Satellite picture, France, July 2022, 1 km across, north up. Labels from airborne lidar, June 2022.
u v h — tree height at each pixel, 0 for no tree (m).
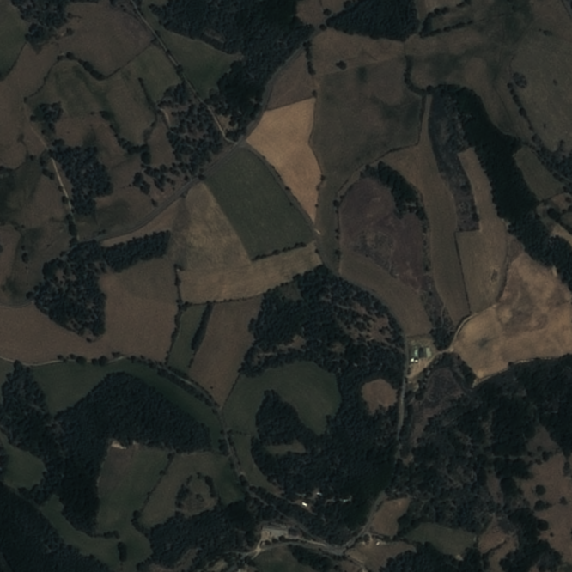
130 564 0
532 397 11
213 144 17
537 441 0
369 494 12
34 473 0
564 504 11
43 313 10
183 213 0
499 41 0
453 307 0
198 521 12
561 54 0
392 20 23
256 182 0
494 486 0
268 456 12
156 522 0
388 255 0
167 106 13
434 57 0
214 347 0
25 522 20
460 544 0
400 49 0
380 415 11
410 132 0
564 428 16
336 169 0
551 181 0
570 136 0
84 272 10
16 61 0
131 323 0
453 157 0
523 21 0
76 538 0
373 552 0
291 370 0
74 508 8
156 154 0
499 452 25
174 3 16
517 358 0
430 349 0
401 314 0
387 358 17
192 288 0
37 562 19
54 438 9
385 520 0
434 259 0
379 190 0
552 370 9
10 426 18
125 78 0
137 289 0
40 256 0
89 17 0
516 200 22
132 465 0
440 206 0
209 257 0
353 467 16
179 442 15
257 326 11
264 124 0
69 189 0
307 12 0
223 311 0
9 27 0
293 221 0
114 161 0
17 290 0
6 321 0
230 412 0
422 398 10
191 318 0
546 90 0
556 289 0
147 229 0
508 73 0
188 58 0
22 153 0
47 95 0
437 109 0
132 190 0
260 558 0
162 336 0
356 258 0
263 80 18
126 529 0
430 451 16
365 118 0
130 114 0
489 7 0
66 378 0
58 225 0
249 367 16
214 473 0
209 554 11
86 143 0
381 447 11
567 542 0
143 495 0
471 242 0
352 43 0
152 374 0
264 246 0
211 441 12
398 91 0
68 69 0
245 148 0
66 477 14
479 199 0
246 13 13
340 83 0
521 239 18
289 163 0
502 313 0
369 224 0
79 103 0
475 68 0
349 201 0
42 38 14
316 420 0
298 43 16
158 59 0
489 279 0
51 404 0
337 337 12
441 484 19
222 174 0
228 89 16
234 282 0
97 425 16
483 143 9
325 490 14
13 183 0
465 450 17
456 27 6
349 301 20
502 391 12
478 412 14
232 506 13
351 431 21
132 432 13
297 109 0
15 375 8
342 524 12
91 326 18
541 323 0
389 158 0
